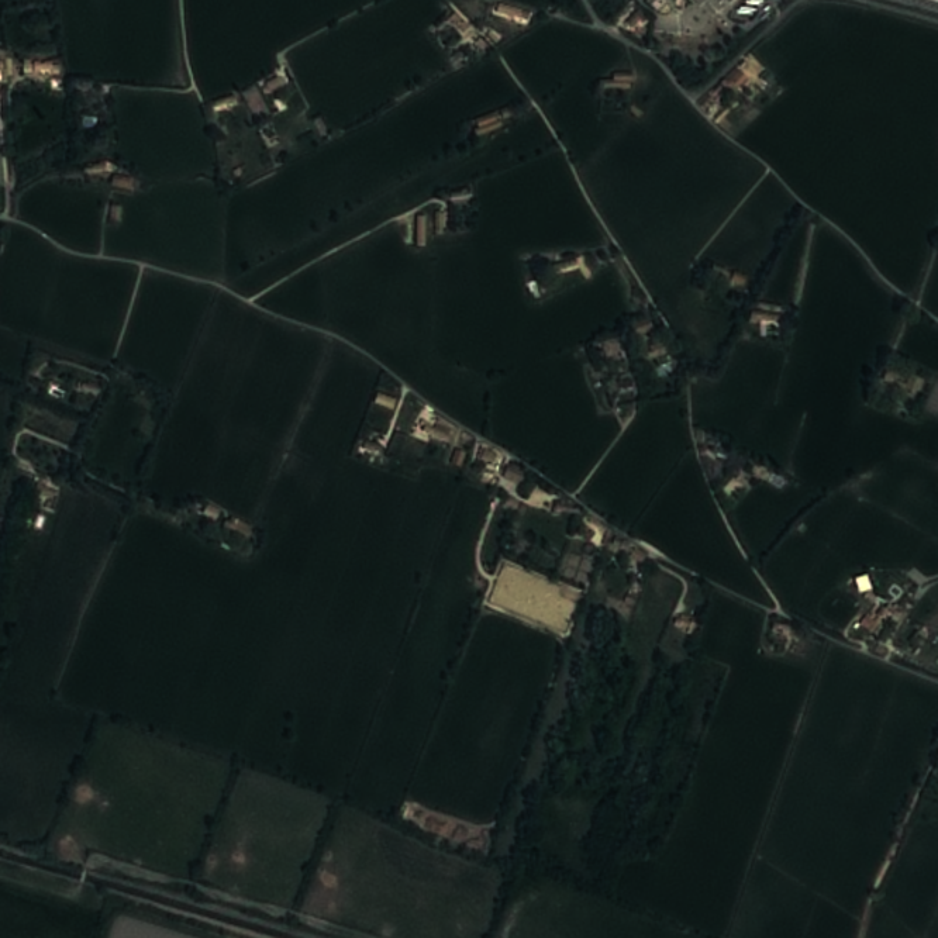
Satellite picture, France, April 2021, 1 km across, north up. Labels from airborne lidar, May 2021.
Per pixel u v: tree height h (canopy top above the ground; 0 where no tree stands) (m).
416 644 0
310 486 0
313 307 0
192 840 0
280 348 0
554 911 0
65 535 0
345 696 0
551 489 12
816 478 0
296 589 0
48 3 6
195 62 0
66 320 0
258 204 0
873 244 0
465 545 0
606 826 10
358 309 0
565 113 0
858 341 0
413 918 0
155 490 0
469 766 0
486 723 0
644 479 0
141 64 0
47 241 0
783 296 0
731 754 0
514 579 0
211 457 0
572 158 8
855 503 0
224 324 0
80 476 14
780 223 0
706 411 0
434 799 0
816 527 0
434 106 0
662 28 0
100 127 8
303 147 0
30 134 0
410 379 0
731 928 0
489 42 11
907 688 0
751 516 0
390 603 0
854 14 0
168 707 0
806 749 0
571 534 7
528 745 7
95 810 0
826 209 0
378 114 9
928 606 0
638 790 12
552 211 0
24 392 10
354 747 0
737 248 0
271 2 0
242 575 0
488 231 0
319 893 0
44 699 0
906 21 0
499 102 0
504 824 11
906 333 0
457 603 0
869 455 0
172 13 0
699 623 6
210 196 0
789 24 0
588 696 20
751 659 0
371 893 0
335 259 0
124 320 0
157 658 0
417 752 0
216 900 6
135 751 0
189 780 0
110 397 11
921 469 0
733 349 11
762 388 0
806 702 0
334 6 0
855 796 0
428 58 0
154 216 0
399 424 0
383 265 0
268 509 0
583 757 13
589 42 0
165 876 0
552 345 0
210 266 0
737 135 0
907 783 0
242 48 0
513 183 0
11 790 0
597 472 0
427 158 0
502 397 0
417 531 0
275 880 0
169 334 0
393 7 0
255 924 0
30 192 0
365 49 0
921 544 0
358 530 0
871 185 0
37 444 10
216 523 12
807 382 0
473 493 0
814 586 0
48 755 0
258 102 0
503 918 7
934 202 0
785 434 0
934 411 0
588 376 0
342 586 0
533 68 0
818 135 0
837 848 0
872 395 15
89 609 0
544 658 0
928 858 0
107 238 0
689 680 12
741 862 0
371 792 0
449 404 0
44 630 0
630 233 0
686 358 10
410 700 0
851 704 0
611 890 9
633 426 0
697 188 0
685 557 0
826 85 0
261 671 0
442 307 0
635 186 0
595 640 21
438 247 0
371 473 0
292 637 0
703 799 0
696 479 0
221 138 13
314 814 0
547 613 0
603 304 0
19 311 0
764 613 0
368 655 0
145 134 0
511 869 12
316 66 0
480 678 0
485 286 0
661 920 6
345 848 0
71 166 9
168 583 0
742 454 9
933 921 0
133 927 0
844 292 0
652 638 0
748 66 0
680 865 0
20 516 15
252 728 0
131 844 0
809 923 0
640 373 9
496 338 0
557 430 0
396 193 0
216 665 0
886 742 0
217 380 0
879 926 0
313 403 0
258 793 0
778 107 0
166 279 0
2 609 13
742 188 0
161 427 7
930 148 0
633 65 0
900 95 0
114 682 0
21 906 0
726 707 0
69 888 0
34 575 0
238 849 0
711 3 0
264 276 0
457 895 0
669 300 0
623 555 9
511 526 12
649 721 6
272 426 0
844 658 0
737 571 0
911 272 0
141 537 0
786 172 0
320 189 0
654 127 0
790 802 0
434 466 0
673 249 0
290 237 0
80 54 0
